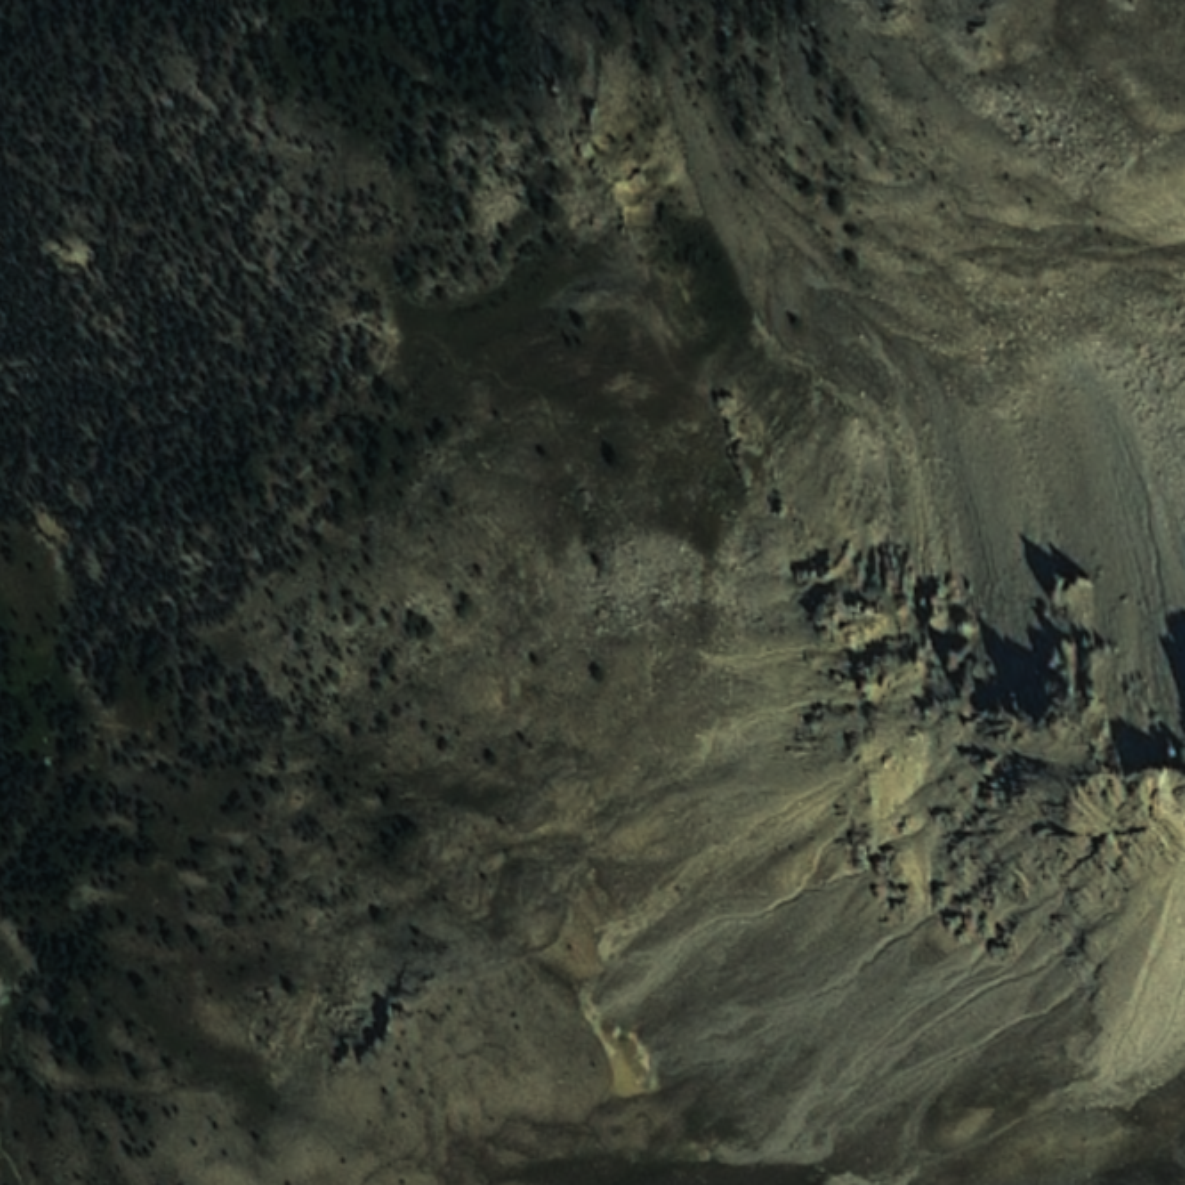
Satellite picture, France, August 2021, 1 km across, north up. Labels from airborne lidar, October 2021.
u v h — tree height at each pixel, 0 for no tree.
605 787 0
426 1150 0
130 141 12
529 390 0
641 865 0
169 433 12
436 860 0
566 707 0
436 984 0
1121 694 0
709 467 0
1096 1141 0
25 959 0
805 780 0
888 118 0
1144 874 0
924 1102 0
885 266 0
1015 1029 0
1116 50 0
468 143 0
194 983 0
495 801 0
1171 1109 0
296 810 0
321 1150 0
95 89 10
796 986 0
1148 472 0
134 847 9
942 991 0
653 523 0
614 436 0
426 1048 0
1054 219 0
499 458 0
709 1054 0
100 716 0
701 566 0
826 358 0
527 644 0
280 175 7
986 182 0
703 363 0
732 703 0
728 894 0
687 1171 0
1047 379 0
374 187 9
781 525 0
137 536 6
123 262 9
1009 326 0
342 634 0
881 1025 0
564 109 0
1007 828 0
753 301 0
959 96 0
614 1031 0
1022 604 0
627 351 0
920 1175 0
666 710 0
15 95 11
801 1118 0
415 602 0
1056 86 0
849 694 0
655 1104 0
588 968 0
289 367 14
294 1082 0
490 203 0
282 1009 0
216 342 15
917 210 0
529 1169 0
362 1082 0
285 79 16
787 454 0
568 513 0
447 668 0
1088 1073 0
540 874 0
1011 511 0
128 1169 0
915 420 0
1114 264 0
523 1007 0
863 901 0
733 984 0
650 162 0
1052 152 0
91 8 9
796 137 0
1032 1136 0
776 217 0
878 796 0
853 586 0
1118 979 0
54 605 0
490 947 0
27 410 11
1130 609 0
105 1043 0
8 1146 0
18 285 11
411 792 0
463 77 18
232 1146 0
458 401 0
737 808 0
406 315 0
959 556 0
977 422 0
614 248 0
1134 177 0
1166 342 0
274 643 0
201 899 0
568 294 0
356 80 6
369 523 0
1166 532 0
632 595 0
